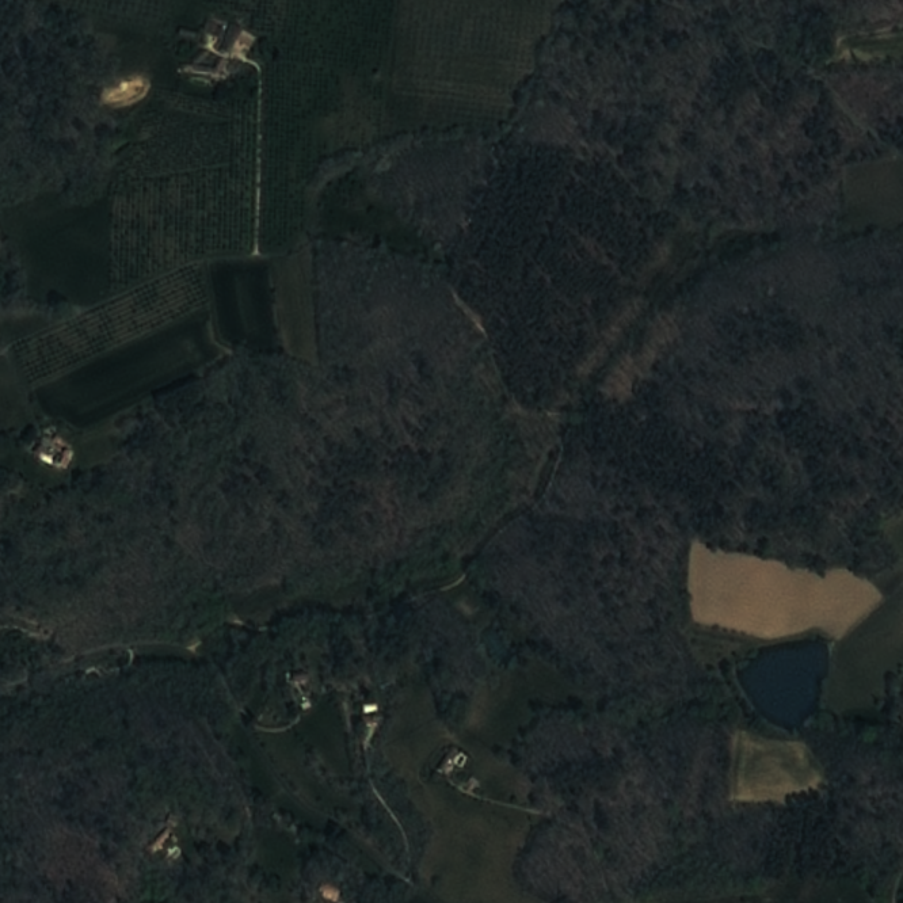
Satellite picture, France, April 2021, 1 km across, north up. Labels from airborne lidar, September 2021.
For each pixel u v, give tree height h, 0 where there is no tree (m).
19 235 0
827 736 18
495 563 16
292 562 17
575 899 15
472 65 0
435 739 0
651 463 10
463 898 0
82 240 0
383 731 16
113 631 14
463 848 0
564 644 15
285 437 20
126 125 16
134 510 18
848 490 20
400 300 15
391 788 17
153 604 18
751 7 17
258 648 35
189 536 15
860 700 0
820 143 24
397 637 22
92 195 17
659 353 23
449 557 21
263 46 9
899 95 10
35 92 23
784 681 0
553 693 0
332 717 0
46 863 8
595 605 14
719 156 16
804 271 17
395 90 0
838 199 16
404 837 18
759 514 25
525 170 22
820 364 16
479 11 8
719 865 22
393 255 15
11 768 14
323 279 16
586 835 14
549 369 21
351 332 13
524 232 19
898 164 0
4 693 22
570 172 23
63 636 13
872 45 0
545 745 14
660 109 11
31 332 0
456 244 15
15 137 18
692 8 14
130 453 17
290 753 0
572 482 17
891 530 0
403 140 16
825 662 0
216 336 0
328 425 19
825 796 11
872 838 18
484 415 13
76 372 0
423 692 0
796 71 13
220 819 16
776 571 0
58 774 11
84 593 23
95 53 19
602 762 21
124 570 14
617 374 27
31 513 12
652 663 24
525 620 23
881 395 19
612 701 17
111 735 11
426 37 7
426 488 26
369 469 23
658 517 11
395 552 14
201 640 10
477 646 18
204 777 19
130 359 0
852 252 17
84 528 14
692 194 23
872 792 13
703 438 16
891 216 0
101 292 0
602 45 26
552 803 13
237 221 5
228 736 18
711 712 22
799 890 0
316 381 20
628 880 23
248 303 0
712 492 21
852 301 15
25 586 20
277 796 0
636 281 18
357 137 0
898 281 19
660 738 19
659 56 25
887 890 20
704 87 20
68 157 19
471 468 16
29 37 15
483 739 0
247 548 11
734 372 13
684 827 18
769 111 13
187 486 18
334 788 11
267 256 0
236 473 13
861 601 0
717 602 0
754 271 15
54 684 23
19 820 9
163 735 26
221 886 24
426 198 23
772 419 11
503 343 20
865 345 16
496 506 20
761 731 22
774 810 13
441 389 13
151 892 22
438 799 0
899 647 0
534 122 16
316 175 13
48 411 0
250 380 24
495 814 0
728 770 16
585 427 15
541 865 18
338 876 17
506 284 22
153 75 0
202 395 14
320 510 14
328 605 0
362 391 11
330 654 9
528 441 22
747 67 26
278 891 9
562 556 15
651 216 24
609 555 8
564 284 21
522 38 7
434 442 25
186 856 0
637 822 23
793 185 19
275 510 17
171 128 5
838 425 17
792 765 0
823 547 21
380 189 16
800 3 31
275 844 0
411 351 17
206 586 19
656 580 15
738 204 13
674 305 23
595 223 20
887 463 14
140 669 20
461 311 11
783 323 18
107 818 11
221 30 10
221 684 27
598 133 21
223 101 11
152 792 15
